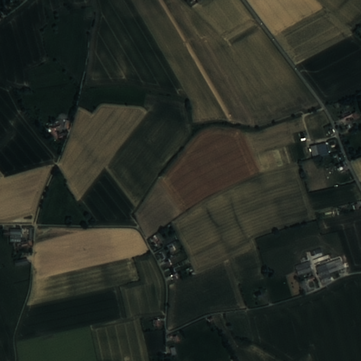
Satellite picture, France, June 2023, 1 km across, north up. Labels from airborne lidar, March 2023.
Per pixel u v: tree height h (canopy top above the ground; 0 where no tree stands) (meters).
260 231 0
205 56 0
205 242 0
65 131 8
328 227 0
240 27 0
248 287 0
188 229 0
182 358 0
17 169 0
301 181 0
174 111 0
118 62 0
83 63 0
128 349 0
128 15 0
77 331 0
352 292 0
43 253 0
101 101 0
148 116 0
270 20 0
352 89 0
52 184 0
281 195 0
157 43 0
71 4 0
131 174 0
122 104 0
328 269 0
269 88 0
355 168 0
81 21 0
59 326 0
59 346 0
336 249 0
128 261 0
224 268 0
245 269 0
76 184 0
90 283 0
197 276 0
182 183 0
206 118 0
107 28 0
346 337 0
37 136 0
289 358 0
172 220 0
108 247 0
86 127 0
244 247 0
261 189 0
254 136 0
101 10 0
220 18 0
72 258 0
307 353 0
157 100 0
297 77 0
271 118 0
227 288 0
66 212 0
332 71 0
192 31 0
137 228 0
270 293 0
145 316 0
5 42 0
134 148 0
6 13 6
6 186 0
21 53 0
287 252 0
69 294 0
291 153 0
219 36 0
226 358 0
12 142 0
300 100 0
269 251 0
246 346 0
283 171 0
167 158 0
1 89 0
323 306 0
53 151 0
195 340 0
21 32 0
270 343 0
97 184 0
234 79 0
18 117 0
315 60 0
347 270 0
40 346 0
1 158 0
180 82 0
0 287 0
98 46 0
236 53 0
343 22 0
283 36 0
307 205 0
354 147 0
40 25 0
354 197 0
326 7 0
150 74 0
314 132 0
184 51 0
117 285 0
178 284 0
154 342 0
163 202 0
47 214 0
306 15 0
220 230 0
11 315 0
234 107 0
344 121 0
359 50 0
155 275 0
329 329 0
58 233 0
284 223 0
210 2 0
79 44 0
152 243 6
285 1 0
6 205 0
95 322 0
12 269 0
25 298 0
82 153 0
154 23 0
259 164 0
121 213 0
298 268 0
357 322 0
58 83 0
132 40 0
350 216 0
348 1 0
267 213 0
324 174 0
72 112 8
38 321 0
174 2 0
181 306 0
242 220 0
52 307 0
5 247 0
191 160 0
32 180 0
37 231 0
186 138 0
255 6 0
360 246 0
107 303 0
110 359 0
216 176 0
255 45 0
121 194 0
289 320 0
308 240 0
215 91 0
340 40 0
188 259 0
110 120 0
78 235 0
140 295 0
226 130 0
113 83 0
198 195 0
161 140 0
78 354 0
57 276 0
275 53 0
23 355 0
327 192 0
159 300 0
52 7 0
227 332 0
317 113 0
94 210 0
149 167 0
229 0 0
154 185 0
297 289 0
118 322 0
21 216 0
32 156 0
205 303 0
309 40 0
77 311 0
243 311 0
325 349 0
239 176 0
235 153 0
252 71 0
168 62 0
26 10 0
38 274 0
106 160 0
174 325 0
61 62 0
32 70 0
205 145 0
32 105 0
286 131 0
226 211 0
